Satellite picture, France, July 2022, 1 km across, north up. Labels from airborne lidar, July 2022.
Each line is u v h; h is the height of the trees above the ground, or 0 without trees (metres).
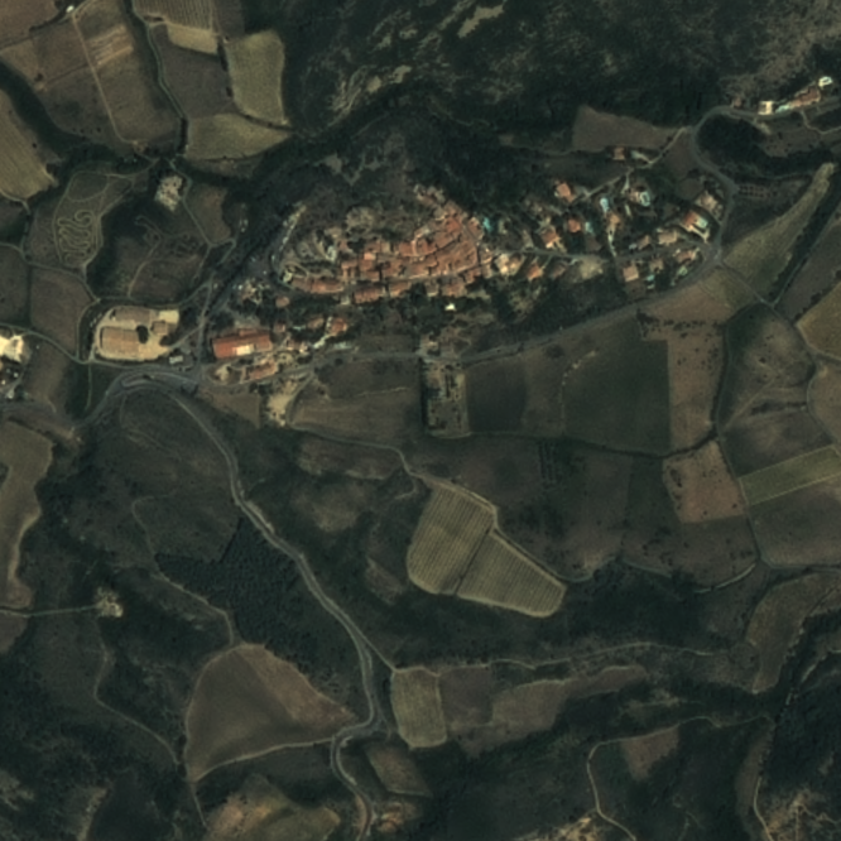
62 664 0
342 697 0
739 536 0
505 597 0
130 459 0
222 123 0
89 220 0
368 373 0
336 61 0
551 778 0
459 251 0
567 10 6
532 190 6
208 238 0
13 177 0
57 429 0
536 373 0
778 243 0
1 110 0
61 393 0
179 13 0
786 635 0
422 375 9
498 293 11
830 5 0
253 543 11
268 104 0
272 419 0
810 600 0
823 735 7
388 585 0
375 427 0
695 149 0
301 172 7
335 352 0
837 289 0
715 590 7
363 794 0
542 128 8
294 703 0
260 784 0
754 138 9
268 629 13
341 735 0
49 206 0
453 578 0
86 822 0
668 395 0
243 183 8
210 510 0
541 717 0
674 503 0
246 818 0
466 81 0
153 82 0
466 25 0
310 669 9
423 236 0
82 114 0
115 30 0
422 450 0
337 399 0
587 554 0
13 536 0
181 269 0
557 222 16
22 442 0
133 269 0
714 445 0
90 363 0
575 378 0
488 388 0
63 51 0
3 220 0
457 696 0
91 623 0
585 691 0
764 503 0
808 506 0
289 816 0
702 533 0
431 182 10
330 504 0
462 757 8
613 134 0
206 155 0
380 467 0
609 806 0
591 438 0
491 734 0
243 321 0
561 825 0
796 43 0
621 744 0
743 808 0
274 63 0
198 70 0
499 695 0
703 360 0
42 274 0
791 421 0
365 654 0
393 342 0
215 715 0
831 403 0
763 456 0
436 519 0
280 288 9
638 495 0
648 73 7
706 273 0
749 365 0
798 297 0
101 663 0
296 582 10
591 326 0
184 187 10
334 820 0
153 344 0
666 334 0
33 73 0
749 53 0
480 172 7
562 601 0
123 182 0
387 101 6
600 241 10
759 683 0
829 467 0
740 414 0
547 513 0
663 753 0
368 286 9
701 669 0
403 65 0
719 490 0
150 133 0
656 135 0
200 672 0
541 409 0
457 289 0
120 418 0
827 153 10
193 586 11
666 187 0
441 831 7
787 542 0
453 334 0
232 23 0
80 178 0
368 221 0
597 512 0
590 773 0
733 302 0
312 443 0
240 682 0
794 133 0
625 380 0
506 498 0
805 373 0
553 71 6
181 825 0
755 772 0
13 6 0
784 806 0
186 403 0
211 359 7
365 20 0
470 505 0
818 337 0
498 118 9
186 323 10
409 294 7
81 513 0
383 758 0
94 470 6
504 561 0
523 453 0
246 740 0
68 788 6
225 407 0
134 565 0
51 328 0
